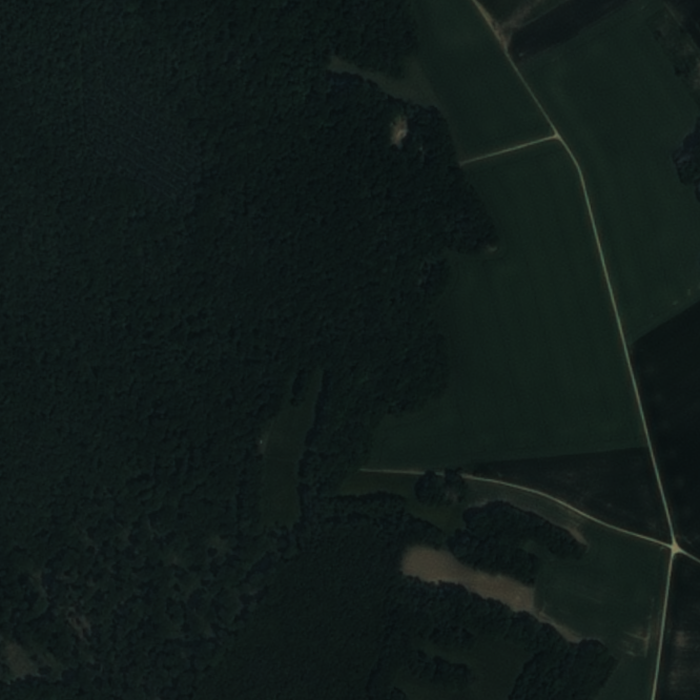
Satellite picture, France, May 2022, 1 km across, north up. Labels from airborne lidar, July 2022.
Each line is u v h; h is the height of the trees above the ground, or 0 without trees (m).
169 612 25
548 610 0
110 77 11
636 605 0
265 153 22
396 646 32
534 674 15
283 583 17
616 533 0
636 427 0
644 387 0
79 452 19
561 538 17
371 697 26
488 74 0
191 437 28
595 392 0
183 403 27
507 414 0
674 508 0
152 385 25
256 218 21
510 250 0
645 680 0
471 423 0
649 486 0
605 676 5
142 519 28
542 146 0
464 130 0
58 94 12
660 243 0
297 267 22
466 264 0
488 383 0
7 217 20
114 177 19
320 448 26
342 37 27
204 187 24
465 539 25
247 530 29
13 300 20
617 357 0
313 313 18
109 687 28
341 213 27
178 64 19
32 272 17
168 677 21
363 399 25
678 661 0
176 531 26
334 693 20
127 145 14
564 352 0
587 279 0
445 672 24
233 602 24
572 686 23
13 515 24
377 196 19
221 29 25
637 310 0
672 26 0
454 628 25
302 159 27
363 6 26
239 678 16
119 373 22
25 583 29
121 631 27
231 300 19
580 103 0
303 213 23
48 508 23
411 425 0
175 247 17
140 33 23
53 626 33
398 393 28
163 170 11
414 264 19
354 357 25
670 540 0
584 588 0
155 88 11
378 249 15
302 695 18
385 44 27
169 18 27
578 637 0
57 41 15
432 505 20
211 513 28
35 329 18
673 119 0
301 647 17
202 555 29
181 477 24
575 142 0
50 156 21
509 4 0
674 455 0
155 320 23
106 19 13
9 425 19
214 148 24
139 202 15
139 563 29
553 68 0
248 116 28
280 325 19
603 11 0
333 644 19
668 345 0
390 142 19
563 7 0
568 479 0
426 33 0
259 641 20
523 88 0
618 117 0
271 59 28
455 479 19
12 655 0
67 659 29
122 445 23
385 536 20
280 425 0
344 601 17
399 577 18
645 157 0
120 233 20
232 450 26
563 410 0
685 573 0
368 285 20
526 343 0
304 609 18
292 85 24
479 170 0
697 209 0
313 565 18
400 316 20
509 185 0
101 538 24
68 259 20
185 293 22
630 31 0
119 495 27
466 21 0
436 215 34
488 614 25
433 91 0
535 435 0
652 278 0
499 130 0
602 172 0
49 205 21
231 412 23
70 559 29
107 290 20
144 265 20
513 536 27
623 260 0
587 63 0
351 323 19
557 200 0
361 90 28
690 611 0
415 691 0
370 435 19
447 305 0
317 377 0
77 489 24
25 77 14
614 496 0
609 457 0
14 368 19
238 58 22
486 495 0
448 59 0
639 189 0
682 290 0
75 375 21
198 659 31
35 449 19
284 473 0
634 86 0
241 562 24
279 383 23
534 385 0
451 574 0
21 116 18
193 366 22
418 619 33
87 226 19
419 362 24
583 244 0
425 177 32
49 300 18
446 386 17
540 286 0
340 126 29
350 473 17
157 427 25
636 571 0
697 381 0
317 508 16
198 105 22
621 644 0
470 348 0
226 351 19
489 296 0
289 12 29
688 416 0
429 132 29
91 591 30
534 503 0
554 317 0
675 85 0
